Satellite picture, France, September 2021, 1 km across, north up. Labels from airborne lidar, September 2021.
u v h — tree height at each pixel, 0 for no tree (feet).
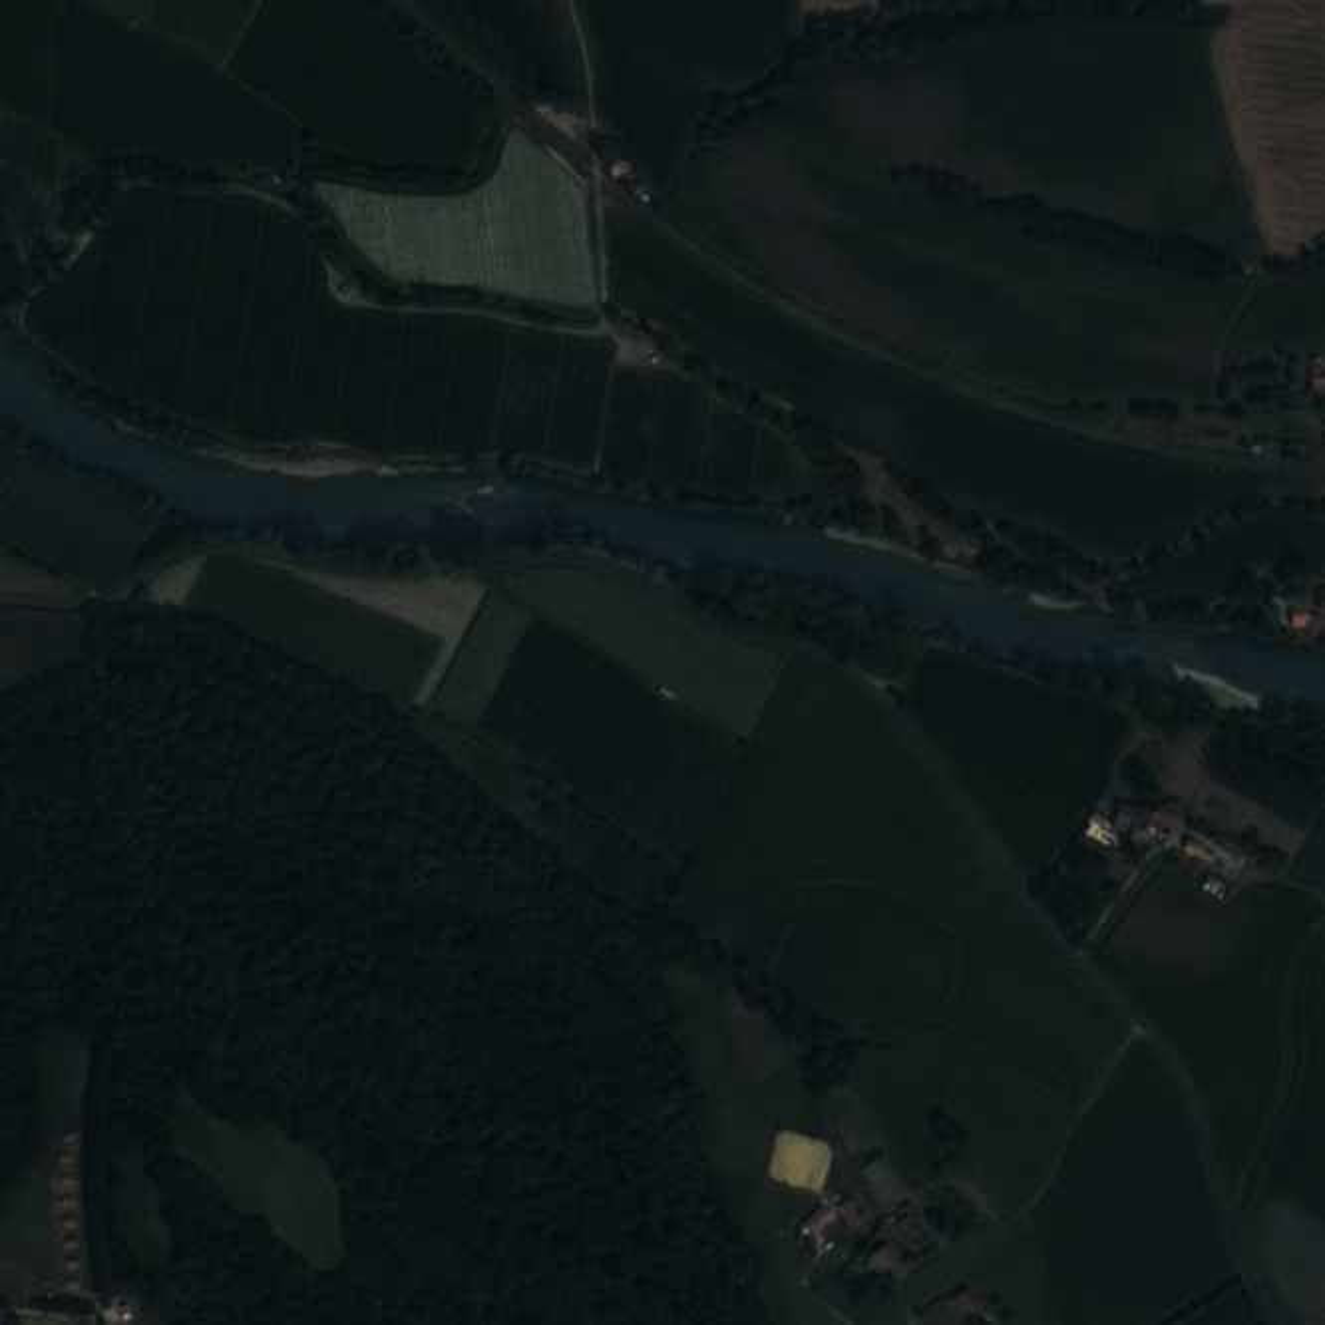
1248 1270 0
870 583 0
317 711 74
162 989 61
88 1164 52
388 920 49
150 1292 55
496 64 55
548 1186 91
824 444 52
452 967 96
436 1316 82
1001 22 50
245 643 58
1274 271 49
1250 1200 0
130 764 55
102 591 0
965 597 0
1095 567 39
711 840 0
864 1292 50
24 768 43
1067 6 46
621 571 0
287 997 61
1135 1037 0
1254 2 0
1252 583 64
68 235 43
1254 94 0
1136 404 26
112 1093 65
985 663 27
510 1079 86
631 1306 80
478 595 0
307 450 0
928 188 39
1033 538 34
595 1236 79
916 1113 0
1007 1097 0
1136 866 21
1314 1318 0
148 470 0
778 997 38
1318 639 23
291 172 25
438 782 67
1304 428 0
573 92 41
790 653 0
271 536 45
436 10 58
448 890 65
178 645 67
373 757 92
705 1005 0
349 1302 91
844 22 48
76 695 42
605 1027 94
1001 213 49
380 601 0
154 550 34
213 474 0
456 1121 87
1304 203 0
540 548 56
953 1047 0
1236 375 31
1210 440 0
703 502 28
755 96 44
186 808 59
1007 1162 0
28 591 0
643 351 0
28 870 64
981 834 0
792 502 25
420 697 0
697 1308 62
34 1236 0
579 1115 68
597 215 0
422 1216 75
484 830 62
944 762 0
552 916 56
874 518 45
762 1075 0
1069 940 40
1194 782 0
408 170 22
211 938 56
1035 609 0
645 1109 81
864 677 0
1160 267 50
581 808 22
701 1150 93
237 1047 62
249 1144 0
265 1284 57
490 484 0
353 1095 92
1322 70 0
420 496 0
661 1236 68
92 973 25
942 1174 22
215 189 49
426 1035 71
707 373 50
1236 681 0
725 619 56
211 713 43
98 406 50
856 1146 0
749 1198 0
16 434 48
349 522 0
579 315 0
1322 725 51
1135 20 38
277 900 57
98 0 0
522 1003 78
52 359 0
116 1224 28
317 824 75
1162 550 42
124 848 61
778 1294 0
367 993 85
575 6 0
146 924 53
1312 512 48
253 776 33
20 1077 54
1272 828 0
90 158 0
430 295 49
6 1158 62
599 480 29
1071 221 49
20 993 73
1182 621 65
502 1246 74
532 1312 73
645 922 25
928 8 28
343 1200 43
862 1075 0
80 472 28
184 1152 0
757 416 39
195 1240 68
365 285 27
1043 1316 0
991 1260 0
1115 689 104
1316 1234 0
